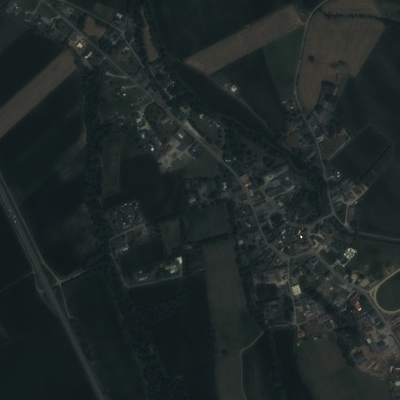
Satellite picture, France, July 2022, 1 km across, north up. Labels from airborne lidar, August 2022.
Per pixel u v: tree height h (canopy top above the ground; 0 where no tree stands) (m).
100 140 22
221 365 0
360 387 0
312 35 0
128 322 16
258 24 0
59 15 0
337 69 0
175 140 0
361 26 0
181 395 17
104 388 0
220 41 0
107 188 0
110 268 17
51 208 0
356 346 0
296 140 0
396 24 20
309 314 0
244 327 0
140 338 22
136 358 0
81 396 0
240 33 0
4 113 0
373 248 0
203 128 0
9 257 0
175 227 0
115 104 0
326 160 8
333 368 0
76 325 16
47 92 0
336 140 0
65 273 0
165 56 19
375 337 0
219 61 0
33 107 0
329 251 0
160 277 11
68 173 0
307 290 6
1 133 0
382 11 0
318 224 6
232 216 11
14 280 0
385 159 0
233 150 14
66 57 0
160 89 17
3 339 0
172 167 0
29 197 0
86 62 0
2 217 0
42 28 0
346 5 0
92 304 0
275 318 0
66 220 0
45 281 0
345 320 8
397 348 0
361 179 7
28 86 0
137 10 8
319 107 12
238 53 0
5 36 0
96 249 0
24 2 0
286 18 0
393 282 0
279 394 18
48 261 0
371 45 0
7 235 0
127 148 0
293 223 0
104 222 11
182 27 0
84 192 0
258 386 0
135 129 9
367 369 0
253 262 6
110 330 0
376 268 0
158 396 10
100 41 12
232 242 0
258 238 0
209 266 0
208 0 0
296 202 7
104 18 0
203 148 7
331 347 0
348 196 0
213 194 15
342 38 0
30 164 0
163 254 16
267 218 0
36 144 0
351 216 0
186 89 9
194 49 0
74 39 0
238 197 0
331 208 0
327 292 0
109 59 0
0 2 5
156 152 0
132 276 16
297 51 0
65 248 0
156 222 18
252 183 7
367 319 0
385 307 0
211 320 0
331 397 0
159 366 10
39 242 0
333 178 0
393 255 0
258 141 25
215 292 0
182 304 10
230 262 0
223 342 0
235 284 0
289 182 0
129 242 6
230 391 0
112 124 6
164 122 0
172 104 20
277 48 0
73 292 0
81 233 0
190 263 15
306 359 0
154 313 23
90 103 14
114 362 0
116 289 14
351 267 0
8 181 0
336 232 0
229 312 0
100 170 18
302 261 0
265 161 13
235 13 0
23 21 0
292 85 0
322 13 0
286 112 8
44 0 0
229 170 9
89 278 0
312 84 0
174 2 0
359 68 0
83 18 14
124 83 0
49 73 0
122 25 0
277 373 17
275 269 0
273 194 0
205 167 0
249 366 0
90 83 19
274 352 16
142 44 14
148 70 15
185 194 7
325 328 0
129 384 0
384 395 0
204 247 0
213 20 0
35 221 0
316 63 0
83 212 0
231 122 20
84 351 18
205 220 0
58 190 0
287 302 16
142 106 0
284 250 8
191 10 0
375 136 0
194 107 16
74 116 0
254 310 16
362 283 0
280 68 0
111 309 0
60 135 0
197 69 0
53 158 0
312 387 0
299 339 0
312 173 20
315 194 11
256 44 0
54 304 0
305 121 5
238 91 0
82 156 0
